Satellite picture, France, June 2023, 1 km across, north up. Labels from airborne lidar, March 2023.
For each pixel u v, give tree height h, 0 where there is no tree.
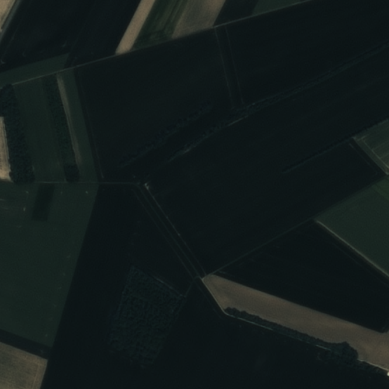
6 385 0
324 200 0
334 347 13
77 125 0
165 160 0
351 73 0
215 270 0
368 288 0
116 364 0
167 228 0
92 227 0
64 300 0
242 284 0
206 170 0
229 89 0
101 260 0
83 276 0
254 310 0
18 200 0
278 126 0
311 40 0
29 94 0
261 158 0
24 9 0
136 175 0
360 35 0
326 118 0
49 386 0
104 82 0
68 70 0
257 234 0
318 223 0
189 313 0
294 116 0
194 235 0
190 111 0
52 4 0
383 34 0
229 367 0
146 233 0
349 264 0
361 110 0
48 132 0
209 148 0
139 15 0
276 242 0
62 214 0
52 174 0
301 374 0
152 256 0
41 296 0
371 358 0
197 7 0
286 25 0
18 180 21
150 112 0
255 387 0
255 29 0
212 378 0
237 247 0
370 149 0
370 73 0
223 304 0
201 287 0
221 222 0
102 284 0
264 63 0
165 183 0
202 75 0
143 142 0
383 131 0
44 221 0
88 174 0
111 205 0
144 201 0
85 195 0
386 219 0
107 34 0
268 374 0
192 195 0
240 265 0
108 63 0
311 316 0
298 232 0
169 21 0
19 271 0
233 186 0
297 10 0
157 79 0
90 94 0
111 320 16
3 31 0
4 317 0
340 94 0
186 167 0
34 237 0
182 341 0
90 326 0
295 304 0
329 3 0
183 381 0
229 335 0
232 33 0
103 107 0
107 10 0
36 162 0
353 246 0
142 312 9
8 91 14
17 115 15
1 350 0
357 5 0
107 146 0
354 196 0
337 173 0
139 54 0
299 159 0
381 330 0
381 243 0
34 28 0
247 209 0
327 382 0
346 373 0
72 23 0
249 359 0
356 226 0
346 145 0
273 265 0
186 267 0
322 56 0
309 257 0
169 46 0
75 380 0
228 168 0
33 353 0
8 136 14
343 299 0
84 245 0
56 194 0
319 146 0
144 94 0
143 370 0
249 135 0
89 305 0
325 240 0
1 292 0
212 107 0
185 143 0
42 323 0
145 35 0
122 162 10
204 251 0
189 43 0
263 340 0
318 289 0
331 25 0
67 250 0
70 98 0
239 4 0
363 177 0
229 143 0
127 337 19
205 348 0
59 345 0
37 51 0
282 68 0
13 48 0
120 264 0
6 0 0
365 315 0
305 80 0
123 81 0
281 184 0
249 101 0
